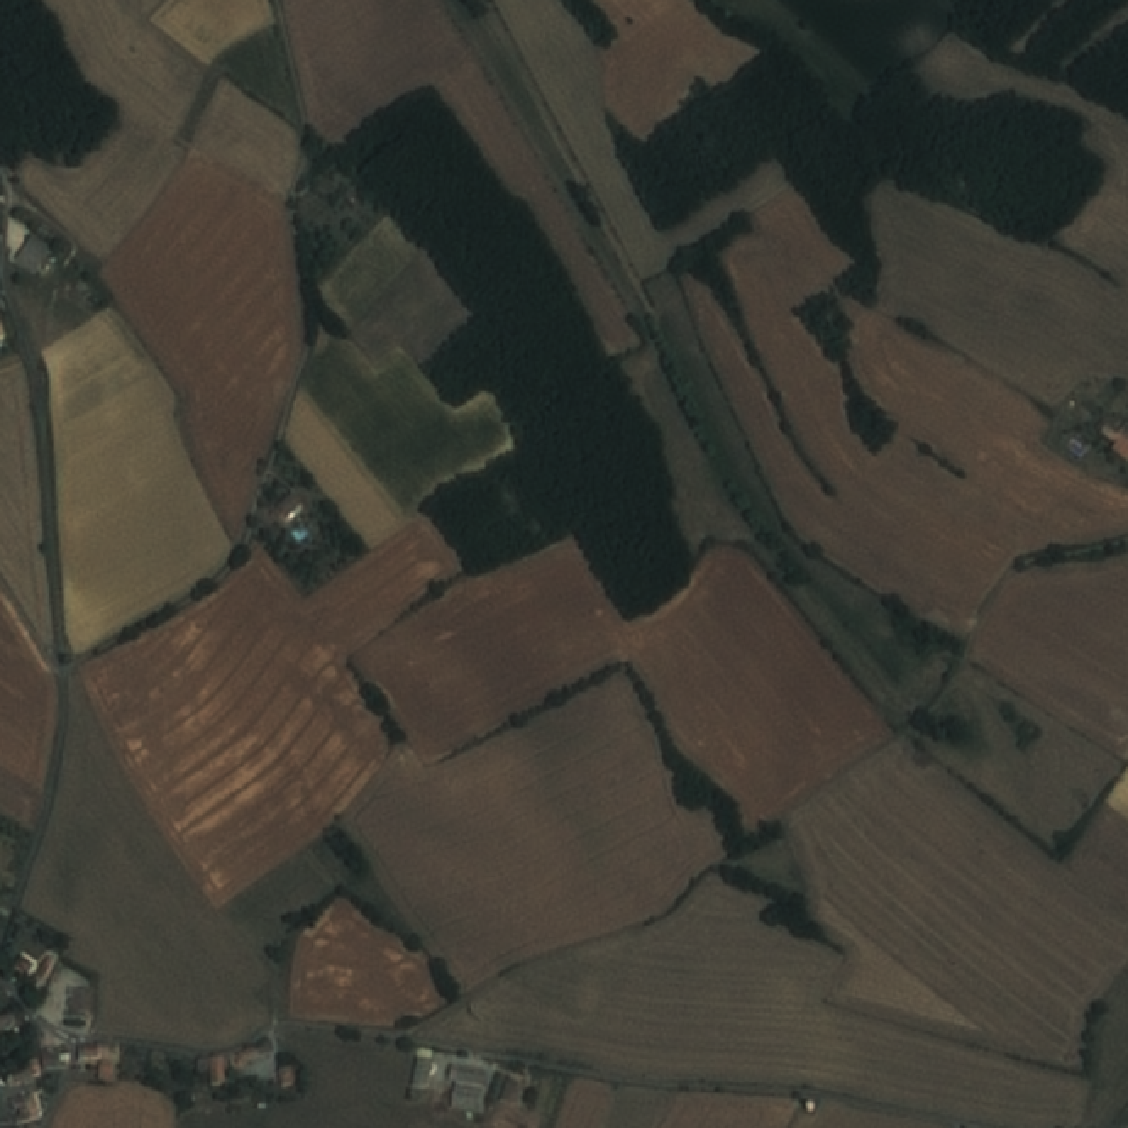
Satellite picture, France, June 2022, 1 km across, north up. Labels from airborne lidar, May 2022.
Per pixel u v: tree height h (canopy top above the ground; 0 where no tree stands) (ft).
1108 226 0
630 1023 0
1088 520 0
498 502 31
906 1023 0
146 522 0
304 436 0
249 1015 0
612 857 0
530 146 0
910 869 0
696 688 0
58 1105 0
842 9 0
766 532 52
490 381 48
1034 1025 0
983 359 0
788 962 0
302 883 0
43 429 0
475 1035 0
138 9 0
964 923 0
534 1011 0
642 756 0
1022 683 0
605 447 58
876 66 0
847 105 0
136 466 0
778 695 0
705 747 0
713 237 37
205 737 0
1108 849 0
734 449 0
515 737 0
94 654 22
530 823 0
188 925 0
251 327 0
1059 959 0
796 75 43
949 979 0
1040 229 28
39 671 0
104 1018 0
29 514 0
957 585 0
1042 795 0
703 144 71
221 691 0
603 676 36
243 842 0
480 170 53
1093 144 0
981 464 0
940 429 0
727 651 0
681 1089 20
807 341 0
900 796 0
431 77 0
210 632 0
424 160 58
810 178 52
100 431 0
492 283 60
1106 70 69
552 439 60
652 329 32
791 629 0
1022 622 0
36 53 65
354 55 0
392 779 0
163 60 0
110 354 0
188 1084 19
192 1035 0
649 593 57
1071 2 37
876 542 0
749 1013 0
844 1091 0
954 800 0
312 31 0
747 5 0
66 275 0
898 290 0
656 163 46
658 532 71
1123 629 0
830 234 36
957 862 0
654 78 0
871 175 69
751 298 0
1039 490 0
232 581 0
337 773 0
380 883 0
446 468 0
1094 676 0
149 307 0
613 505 67
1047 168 56
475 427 0
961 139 55
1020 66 50
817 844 0
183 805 0
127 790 0
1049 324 0
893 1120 0
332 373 0
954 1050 0
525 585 0
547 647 0
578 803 0
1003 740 0
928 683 0
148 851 0
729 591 0
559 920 0
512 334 60
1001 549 0
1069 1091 0
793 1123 0
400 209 58
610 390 71
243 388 0
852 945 0
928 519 0
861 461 0
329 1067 0
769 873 0
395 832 0
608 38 52
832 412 0
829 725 0
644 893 0
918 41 0
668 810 0
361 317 0
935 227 0
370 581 0
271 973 0
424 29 0
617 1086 0
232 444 0
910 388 0
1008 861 0
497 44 0
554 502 49
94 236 0
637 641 0
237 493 0
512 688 0
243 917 0
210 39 0
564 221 0
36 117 29
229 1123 0
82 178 0
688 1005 0
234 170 0
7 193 0
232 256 0
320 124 0
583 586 0
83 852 0
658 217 61
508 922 0
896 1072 0
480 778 0
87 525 0
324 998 0
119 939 0
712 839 0
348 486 0
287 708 0
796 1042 0
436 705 0
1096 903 0
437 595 40
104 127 55
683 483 0
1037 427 0
